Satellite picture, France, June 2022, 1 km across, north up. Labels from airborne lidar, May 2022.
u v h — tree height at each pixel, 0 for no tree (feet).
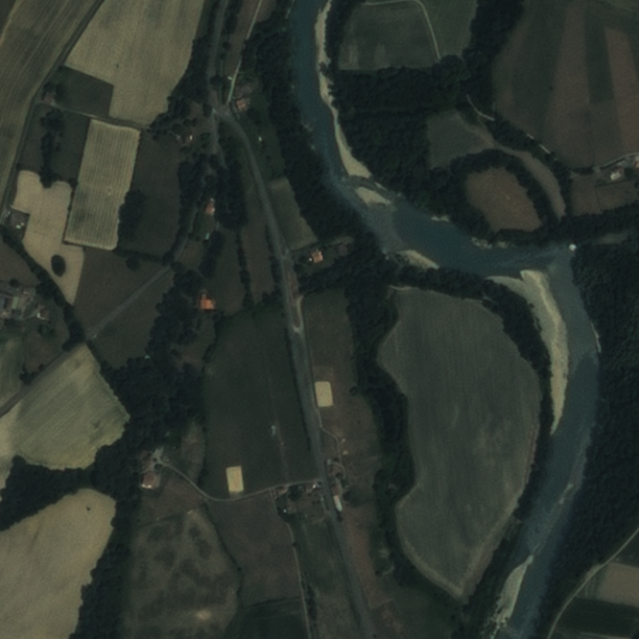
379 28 0
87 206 0
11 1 0
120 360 0
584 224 67
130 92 0
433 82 78
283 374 0
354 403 0
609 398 82
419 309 0
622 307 81
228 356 0
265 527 0
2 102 0
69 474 57
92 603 43
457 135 0
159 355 72
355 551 0
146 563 0
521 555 0
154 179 0
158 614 0
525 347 83
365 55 0
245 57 47
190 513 0
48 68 0
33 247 0
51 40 0
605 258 79
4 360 0
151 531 0
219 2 19
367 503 0
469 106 54
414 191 108
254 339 0
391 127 82
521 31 0
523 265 0
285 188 0
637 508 85
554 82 0
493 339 0
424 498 0
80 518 0
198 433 0
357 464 0
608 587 0
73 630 0
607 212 38
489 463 0
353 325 21
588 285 75
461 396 0
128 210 53
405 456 30
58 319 0
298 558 0
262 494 0
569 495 0
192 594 0
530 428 0
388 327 23
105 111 0
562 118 0
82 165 0
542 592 0
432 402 0
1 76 0
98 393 0
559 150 0
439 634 0
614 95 0
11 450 0
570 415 0
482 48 74
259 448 0
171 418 37
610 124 0
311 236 0
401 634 0
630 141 0
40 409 0
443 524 0
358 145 73
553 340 0
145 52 0
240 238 20
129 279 0
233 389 0
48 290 35
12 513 46
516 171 57
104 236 0
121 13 0
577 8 0
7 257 0
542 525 0
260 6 0
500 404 0
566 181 50
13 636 0
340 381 0
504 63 0
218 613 0
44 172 41
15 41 0
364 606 0
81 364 0
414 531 0
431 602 0
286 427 0
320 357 0
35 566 0
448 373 0
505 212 0
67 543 0
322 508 0
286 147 36
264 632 0
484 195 0
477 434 0
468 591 0
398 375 0
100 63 0
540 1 0
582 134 0
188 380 76
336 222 53
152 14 0
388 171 104
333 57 40
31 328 0
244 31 0
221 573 0
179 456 0
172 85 0
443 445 0
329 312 0
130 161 0
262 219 0
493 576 37
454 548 0
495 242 64
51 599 0
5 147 0
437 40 0
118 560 56
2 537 0
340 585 0
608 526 93
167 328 71
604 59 0
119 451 57
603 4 0
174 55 0
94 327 0
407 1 0
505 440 0
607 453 81
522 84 0
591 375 0
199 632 0
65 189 0
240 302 0
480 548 0
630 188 0
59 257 38
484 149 0
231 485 0
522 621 0
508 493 0
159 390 73
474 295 51
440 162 0
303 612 0
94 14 0
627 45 0
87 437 0
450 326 0
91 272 0
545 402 34
